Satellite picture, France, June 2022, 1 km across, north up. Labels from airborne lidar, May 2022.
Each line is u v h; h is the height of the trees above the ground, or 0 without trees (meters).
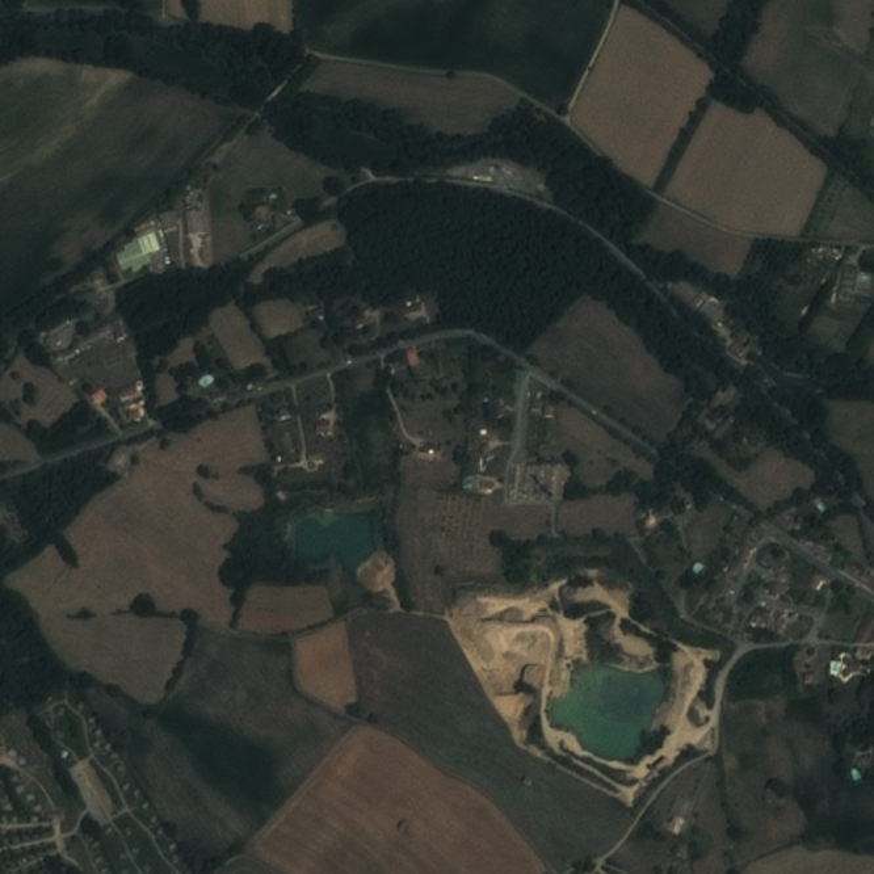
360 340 10
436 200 14
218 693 0
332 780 0
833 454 22
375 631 0
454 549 0
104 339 0
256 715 0
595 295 16
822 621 0
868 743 7
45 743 15
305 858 0
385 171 15
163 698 0
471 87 0
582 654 0
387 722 0
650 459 12
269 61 20
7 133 0
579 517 0
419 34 0
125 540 0
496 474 0
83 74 0
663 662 24
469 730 0
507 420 6
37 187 0
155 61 0
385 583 0
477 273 15
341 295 12
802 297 0
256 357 0
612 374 0
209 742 0
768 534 0
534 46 0
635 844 0
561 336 0
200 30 17
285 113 20
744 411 10
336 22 0
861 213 0
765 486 0
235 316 0
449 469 0
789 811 0
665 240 0
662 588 8
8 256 0
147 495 0
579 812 0
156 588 0
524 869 0
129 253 0
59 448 7
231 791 0
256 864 0
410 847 0
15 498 10
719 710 0
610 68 0
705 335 15
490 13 0
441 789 0
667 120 0
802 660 0
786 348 20
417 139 25
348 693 0
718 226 0
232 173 0
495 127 13
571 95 0
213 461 0
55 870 12
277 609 0
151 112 0
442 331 9
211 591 0
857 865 0
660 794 7
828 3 0
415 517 0
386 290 16
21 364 0
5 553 8
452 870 0
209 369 6
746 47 17
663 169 0
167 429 16
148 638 0
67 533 0
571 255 15
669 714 0
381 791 0
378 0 0
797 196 0
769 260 6
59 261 0
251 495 0
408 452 7
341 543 0
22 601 0
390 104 0
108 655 0
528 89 0
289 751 0
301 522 0
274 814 0
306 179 0
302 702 0
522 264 22
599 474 0
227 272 17
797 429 12
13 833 8
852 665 0
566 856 0
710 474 21
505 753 0
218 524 0
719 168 0
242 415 0
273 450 9
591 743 0
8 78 0
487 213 22
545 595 0
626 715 0
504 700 0
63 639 0
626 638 0
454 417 12
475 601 0
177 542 0
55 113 0
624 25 0
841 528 0
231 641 0
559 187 18
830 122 0
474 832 0
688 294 0
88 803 0
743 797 0
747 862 0
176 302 16
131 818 0
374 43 0
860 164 16
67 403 0
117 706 0
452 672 0
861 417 0
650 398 0
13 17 7
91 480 10
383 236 15
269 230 7
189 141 0
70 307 21
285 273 7
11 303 0
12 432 0
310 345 0
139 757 0
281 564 14
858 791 0
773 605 0
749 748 0
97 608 0
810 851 0
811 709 0
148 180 0
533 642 0
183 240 0
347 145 0
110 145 0
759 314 12
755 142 0
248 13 0
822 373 16
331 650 0
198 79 0
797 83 0
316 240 0
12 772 8
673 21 13
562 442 0
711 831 0
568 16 0
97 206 0
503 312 19
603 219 7
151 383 12
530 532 0
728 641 6
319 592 0
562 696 0
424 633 0
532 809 0
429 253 12
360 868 0
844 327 0
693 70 0
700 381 21
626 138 0
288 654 0
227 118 0
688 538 0
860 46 0
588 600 0
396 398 9
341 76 0
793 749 0
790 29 0
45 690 25
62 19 11
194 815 0
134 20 16
